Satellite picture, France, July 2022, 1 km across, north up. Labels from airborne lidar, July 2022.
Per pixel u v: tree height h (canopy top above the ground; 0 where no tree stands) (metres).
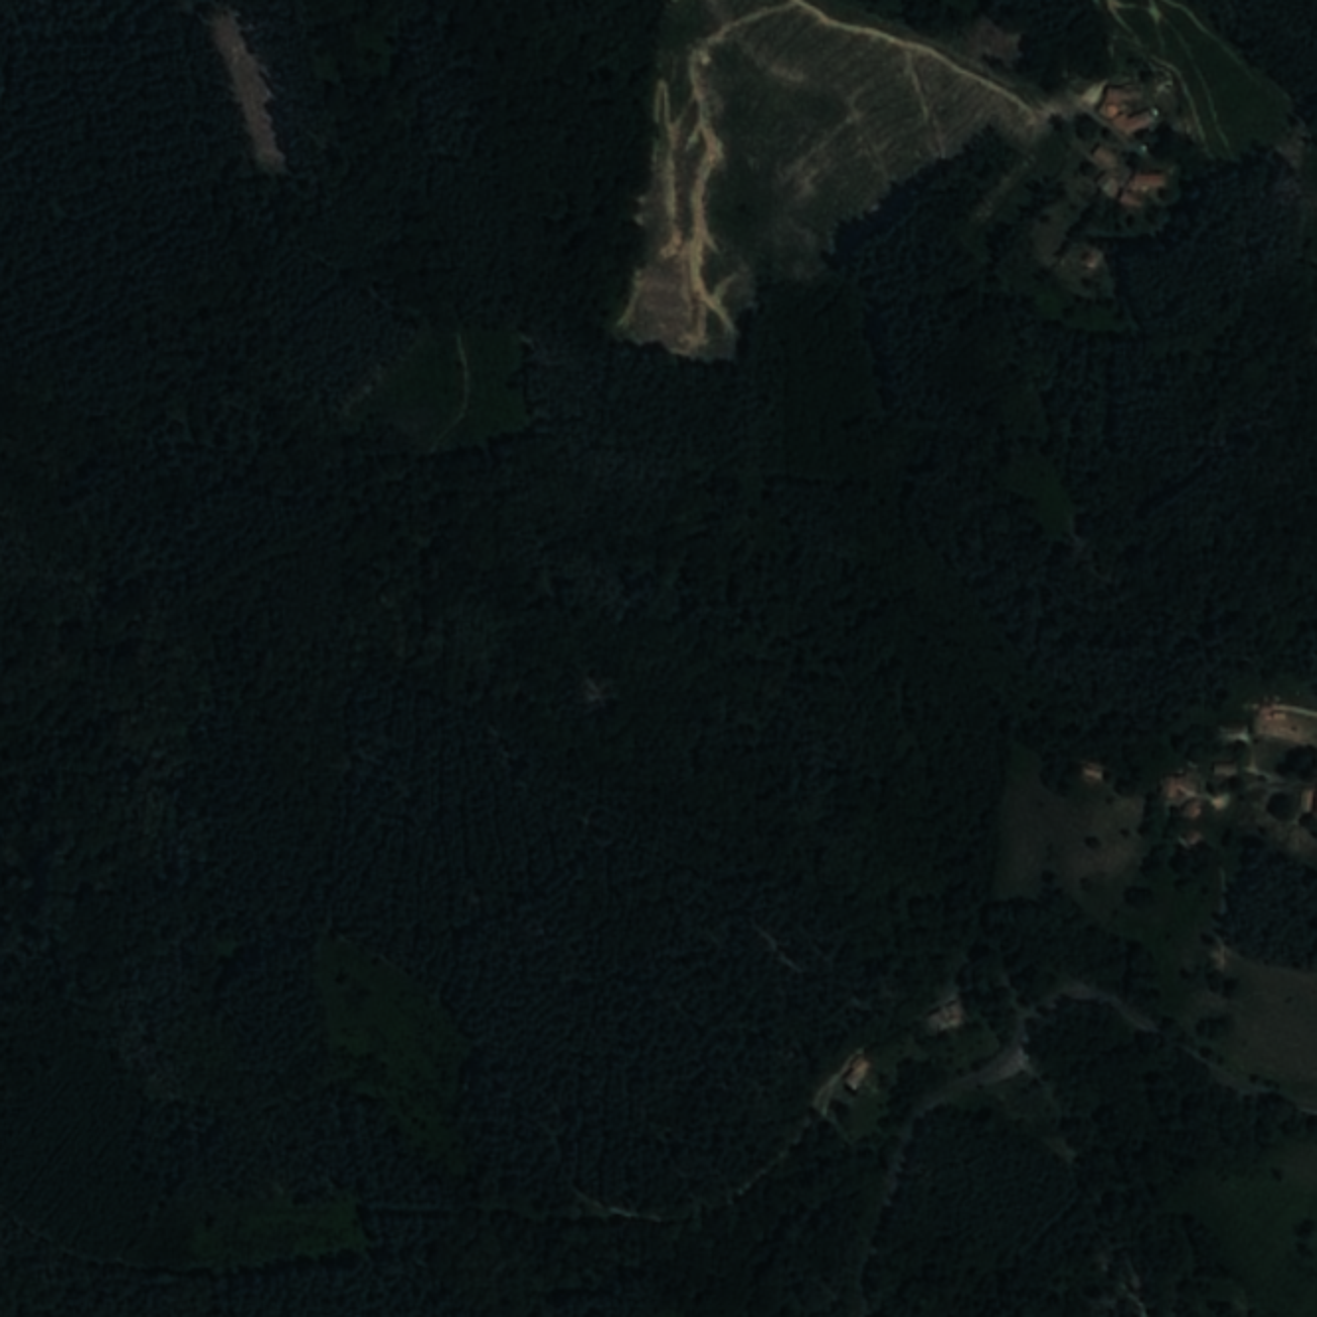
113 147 31
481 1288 22
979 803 8
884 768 17
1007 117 0
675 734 23
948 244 24
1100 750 21
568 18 24
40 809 27
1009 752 10
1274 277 23
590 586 30
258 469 20
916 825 10
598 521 22
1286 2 19
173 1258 6
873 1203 20
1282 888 18
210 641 8
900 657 10
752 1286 15
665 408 30
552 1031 29
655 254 0
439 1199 28
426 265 14
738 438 30
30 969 8
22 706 23
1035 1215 19
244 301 17
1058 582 22
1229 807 0
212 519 36
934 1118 14
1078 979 13
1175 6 0
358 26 13
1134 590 20
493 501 19
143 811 24
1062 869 0
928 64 0
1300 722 0
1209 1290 11
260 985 35
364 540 14
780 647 21
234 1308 28
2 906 8
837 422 8
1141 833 11
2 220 22
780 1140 13
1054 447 12
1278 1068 0
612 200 32
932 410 32
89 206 32
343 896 22
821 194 0
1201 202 28
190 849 28
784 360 7
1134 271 33
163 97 29
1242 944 22
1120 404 32
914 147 0
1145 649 32
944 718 8
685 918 20
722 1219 17
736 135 0
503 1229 18
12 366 24
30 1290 15
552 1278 21
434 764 23
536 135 30
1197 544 16
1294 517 25
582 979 21
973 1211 20
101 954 26
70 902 28
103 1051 8
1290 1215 0
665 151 0
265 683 15
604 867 21
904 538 7
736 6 0
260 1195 22
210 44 26
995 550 21
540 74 28
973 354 20
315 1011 31
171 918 27
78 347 31
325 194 16
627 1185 17
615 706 28
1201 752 12
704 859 19
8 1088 9
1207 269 33
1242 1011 0
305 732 17
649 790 16
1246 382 23
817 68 0
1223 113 0
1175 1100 20
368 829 27
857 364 8
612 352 35
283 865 19
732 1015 32
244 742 20
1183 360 19
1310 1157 0
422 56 23
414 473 8
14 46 26
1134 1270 13
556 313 17
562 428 25
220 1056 20
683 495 29
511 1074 34
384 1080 6
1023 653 18
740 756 28
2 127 27
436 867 20
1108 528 21
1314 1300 0
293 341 23
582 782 25
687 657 23
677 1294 17
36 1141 11
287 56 29
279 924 21
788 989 34
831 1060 9
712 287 0
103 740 26
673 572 20
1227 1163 19
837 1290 16
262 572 15
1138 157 12
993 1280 7
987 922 17
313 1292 24
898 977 13
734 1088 32
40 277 31
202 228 27
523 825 23
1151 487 17
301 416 15
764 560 16
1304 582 21
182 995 26
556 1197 22
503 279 13
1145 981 18
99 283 30
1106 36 27
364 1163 24
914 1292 25
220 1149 27
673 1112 14
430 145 25
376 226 18
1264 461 24
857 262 35
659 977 32
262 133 0
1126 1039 9
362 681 23
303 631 15
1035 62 24
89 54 30
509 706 21
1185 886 11
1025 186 0
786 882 22
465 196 15
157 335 21
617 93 29
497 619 30
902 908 8
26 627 28
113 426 17
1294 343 23
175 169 29
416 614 14
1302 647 26
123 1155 9
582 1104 23
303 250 12
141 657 28
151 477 19
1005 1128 6
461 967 31
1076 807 0
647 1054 29
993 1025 12
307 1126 25
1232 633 20
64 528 22
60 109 31
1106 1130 22
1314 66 22
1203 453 26
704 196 0
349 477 19
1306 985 0
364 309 22
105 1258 11
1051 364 15
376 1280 28
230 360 16
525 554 24
